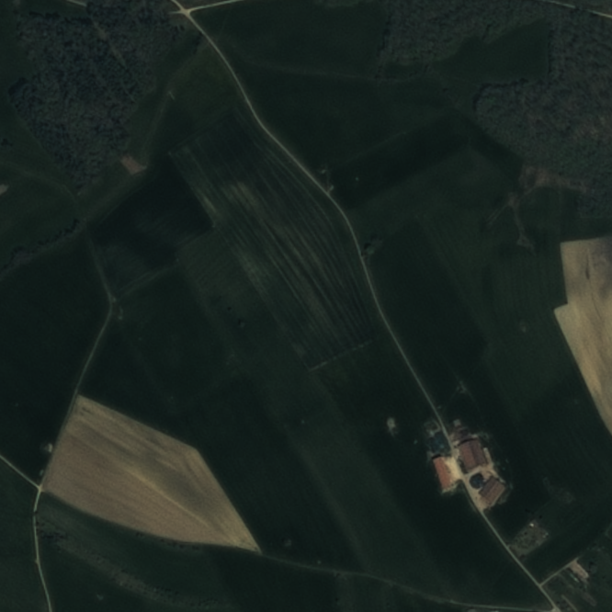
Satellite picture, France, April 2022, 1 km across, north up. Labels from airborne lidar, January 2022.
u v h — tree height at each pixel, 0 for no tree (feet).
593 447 0
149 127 0
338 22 0
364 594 0
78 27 68
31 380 0
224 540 0
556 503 0
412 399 0
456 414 0
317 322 0
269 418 0
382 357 0
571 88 77
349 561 0
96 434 0
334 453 0
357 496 0
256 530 0
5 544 0
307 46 0
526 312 0
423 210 0
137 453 0
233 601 0
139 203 0
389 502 0
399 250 0
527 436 0
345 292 0
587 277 0
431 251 0
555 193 0
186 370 0
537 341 0
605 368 0
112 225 0
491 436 0
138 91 66
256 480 0
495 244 0
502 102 64
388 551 0
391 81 20
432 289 0
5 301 0
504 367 0
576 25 79
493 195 0
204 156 0
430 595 0
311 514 0
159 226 0
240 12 0
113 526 0
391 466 0
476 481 0
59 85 47
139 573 0
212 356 0
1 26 0
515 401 0
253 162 0
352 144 0
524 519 0
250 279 0
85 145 35
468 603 0
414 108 0
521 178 0
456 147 0
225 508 0
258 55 0
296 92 0
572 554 0
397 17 77
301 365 0
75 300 0
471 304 0
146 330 0
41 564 0
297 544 0
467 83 0
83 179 30
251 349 0
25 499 0
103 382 0
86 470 0
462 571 0
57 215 0
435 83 0
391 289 0
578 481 0
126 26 85
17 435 0
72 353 0
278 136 0
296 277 0
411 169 0
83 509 0
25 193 0
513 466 0
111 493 0
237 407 0
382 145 0
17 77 0
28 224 0
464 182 0
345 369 0
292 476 0
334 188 0
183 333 0
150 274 0
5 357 0
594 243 0
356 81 0
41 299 0
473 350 0
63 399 0
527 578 0
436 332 0
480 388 0
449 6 87
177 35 77
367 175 0
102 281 0
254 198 0
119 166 0
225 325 0
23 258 69
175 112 0
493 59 0
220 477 0
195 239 0
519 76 0
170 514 0
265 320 0
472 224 0
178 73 0
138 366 0
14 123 0
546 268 0
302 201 0
